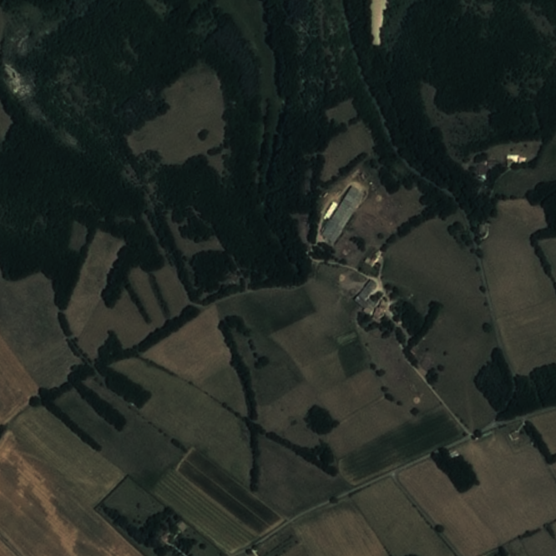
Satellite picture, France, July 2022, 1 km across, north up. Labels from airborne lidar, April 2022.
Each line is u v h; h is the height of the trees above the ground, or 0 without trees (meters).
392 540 0
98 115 8
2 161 15
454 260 0
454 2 8
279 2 12
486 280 0
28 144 15
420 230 0
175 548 11
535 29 9
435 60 14
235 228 11
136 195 13
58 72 8
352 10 22
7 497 0
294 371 0
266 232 17
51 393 13
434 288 0
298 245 13
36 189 11
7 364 0
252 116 17
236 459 0
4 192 10
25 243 12
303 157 8
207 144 0
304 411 0
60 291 11
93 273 0
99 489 0
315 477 0
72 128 8
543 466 0
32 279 0
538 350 0
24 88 0
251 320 0
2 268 10
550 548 0
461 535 0
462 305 0
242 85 17
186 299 0
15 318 0
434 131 12
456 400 0
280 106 0
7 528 0
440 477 0
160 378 0
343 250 0
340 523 0
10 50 0
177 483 0
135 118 11
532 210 0
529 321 0
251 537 0
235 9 0
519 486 0
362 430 0
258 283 6
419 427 0
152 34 11
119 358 10
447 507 0
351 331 0
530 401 13
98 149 8
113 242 0
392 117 19
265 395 0
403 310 11
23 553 0
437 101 12
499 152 0
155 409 0
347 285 0
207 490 0
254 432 9
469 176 13
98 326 0
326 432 11
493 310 0
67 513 0
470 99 12
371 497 0
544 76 6
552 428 0
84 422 0
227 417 0
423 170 11
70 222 11
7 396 0
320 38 7
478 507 0
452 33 15
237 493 0
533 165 13
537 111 7
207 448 0
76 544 0
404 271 0
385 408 0
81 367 10
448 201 11
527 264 0
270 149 19
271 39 19
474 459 0
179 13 19
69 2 15
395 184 11
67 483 0
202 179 12
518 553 0
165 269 0
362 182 0
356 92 8
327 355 0
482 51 10
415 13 11
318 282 0
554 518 0
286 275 14
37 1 16
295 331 0
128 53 7
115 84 6
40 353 0
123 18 13
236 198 14
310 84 9
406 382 0
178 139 0
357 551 0
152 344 11
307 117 10
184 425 0
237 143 10
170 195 8
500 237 0
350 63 7
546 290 0
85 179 12
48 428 0
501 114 12
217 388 0
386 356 0
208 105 0
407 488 0
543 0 9
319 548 0
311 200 9
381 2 0
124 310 0
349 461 0
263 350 0
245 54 19
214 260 14
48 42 9
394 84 17
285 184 11
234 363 14
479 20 9
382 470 0
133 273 0
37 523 0
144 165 7
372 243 0
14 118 14
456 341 0
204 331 0
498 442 0
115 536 0
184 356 0
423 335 9
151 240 16
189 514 0
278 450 0
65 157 13
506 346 0
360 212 0
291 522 0
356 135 0
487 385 12
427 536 0
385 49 10
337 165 0
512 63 12
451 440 0
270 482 0
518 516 0
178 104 0
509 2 7
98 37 9
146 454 0
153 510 0
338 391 0
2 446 0
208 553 0
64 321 11
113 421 11
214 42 17
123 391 12
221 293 8
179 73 12
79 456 0
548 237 12
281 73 21
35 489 0
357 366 0
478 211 11
